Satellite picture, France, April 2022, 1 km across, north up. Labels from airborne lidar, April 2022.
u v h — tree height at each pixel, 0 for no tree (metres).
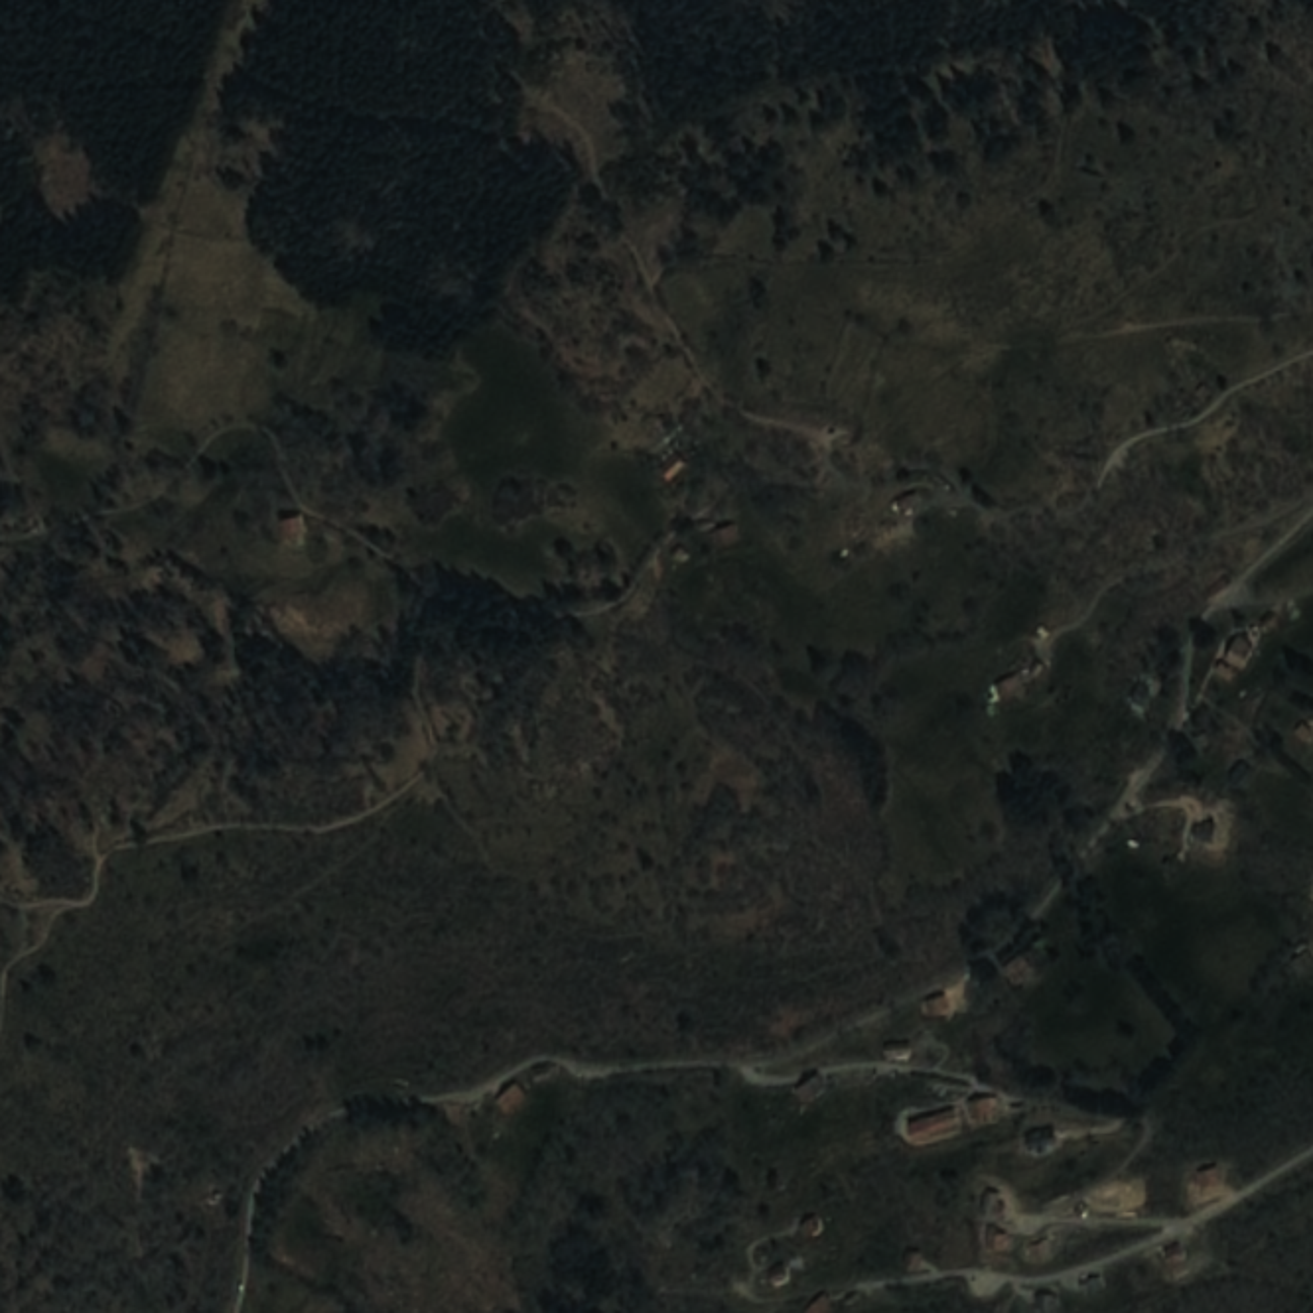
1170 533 16
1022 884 18
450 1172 18
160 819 0
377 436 17
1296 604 0
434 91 27
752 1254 0
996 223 0
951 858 0
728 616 0
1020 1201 0
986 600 6
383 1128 20
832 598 0
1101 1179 10
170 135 27
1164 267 0
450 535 0
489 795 0
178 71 21
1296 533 0
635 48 31
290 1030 17
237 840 0
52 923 0
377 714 8
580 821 8
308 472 16
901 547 0
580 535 0
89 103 27
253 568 0
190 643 0
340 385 8
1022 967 0
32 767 10
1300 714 0
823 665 24
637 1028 6
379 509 0
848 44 22
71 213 0
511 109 27
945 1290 6
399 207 27
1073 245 0
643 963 0
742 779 0
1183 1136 18
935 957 13
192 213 0
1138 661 7
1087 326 0
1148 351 0
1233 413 0
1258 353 0
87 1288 7
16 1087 0
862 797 6
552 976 8
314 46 23
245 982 7
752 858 11
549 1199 11
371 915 0
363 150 25
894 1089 6
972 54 16
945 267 0
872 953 11
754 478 18
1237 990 0
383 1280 0
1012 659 0
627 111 0
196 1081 12
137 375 16
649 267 0
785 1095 0
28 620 8
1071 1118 0
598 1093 18
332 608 0
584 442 0
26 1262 15
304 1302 0
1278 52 15
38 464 0
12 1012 0
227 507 0
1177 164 0
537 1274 11
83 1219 9
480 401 0
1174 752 18
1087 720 0
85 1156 10
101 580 0
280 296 0
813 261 6
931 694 0
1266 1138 8
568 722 0
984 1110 0
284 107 24
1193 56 16
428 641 17
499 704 6
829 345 0
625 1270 11
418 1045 5
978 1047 8
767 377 8
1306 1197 15
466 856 0
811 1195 0
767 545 0
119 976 0
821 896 12
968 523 0
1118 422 0
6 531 8
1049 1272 0
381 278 23
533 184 28
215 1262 7
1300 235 0
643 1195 9
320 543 11
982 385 0
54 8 25
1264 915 0
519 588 0
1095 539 8
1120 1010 0
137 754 16
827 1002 6
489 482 0
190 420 0
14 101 16
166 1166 6
